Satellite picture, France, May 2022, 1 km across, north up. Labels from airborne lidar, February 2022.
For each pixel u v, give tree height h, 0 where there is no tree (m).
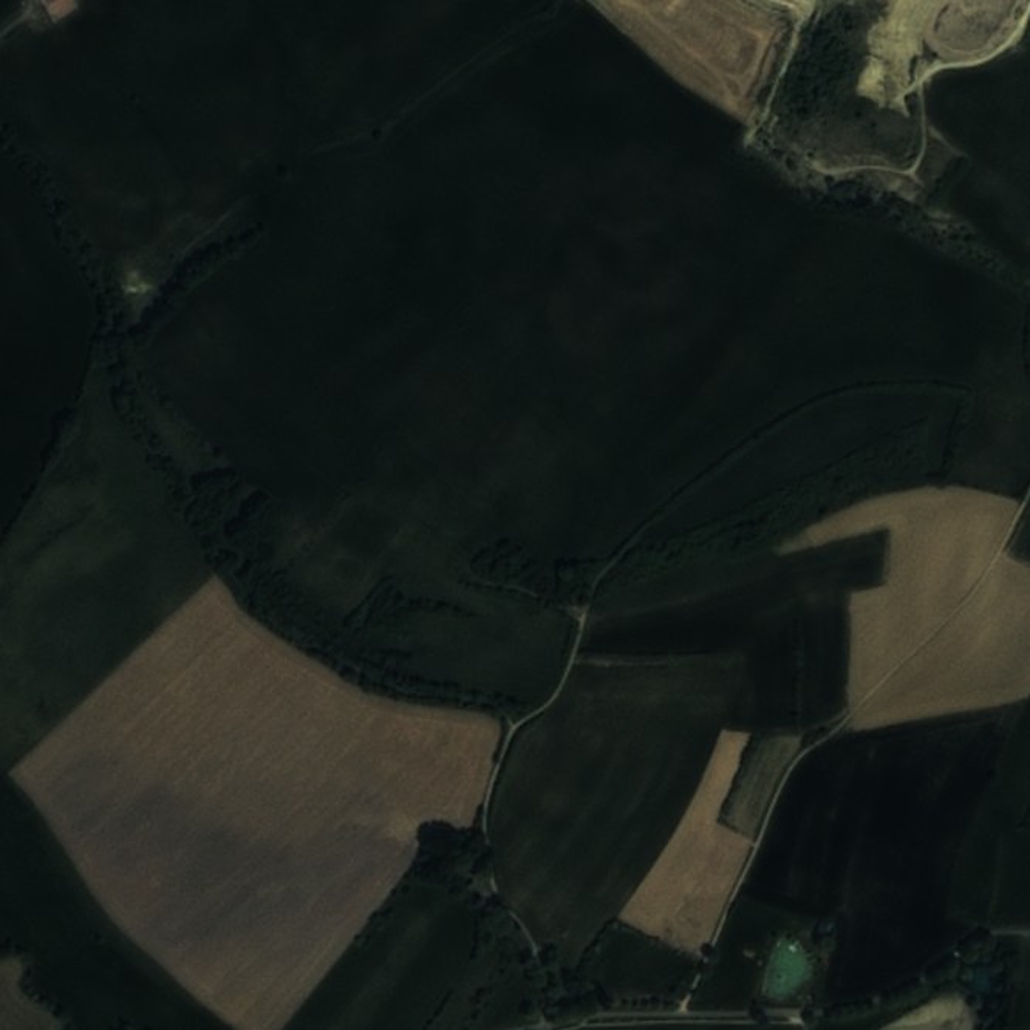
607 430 0
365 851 0
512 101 0
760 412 0
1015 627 0
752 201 0
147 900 0
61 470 0
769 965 0
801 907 0
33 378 0
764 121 0
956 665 0
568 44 0
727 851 0
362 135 0
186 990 0
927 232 0
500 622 0
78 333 0
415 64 0
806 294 0
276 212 0
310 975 0
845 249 0
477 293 0
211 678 0
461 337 0
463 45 0
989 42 0
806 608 0
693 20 0
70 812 0
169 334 0
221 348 0
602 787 0
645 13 0
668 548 7
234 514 0
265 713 0
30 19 0
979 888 0
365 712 0
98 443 0
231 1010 0
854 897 0
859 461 6
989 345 0
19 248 0
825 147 0
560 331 0
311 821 0
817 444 0
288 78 0
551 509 0
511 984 0
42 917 0
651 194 0
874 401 0
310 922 0
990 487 0
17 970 0
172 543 0
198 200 0
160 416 0
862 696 0
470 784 0
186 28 0
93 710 0
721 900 0
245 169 0
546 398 0
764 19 0
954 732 0
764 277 0
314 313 0
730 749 0
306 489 0
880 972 0
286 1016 0
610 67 0
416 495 0
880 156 0
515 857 0
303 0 0
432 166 0
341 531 0
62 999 0
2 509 0
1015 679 0
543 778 0
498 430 0
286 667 0
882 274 0
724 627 0
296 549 0
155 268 0
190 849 0
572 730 0
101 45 0
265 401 0
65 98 0
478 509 0
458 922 0
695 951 0
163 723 0
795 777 0
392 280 0
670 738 0
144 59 0
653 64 0
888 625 0
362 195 0
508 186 0
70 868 0
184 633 0
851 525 0
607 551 0
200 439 6
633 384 0
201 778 0
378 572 0
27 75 0
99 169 0
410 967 0
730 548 7
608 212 0
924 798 0
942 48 0
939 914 0
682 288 0
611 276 0
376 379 0
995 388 0
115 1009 0
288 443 0
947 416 0
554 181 0
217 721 0
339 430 0
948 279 0
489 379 0
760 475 0
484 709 8
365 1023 0
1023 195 0
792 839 0
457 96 0
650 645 0
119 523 0
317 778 0
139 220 0
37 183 11
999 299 0
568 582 15
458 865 17
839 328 0
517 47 0
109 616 0
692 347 0
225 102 0
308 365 0
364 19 0
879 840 0
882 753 0
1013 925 0
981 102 0
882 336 0
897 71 0
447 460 0
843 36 0
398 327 0
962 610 0
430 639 0
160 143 0
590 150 0
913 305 0
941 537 0
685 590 0
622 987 0
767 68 0
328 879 0
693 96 0
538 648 0
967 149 0
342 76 0
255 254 0
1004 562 0
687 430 0
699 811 0
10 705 0
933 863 0
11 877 0
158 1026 0
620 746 0
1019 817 0
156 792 0
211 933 0
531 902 0
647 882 0
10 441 0
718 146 0
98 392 0
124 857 0
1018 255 0
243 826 0
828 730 6
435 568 0
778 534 8
